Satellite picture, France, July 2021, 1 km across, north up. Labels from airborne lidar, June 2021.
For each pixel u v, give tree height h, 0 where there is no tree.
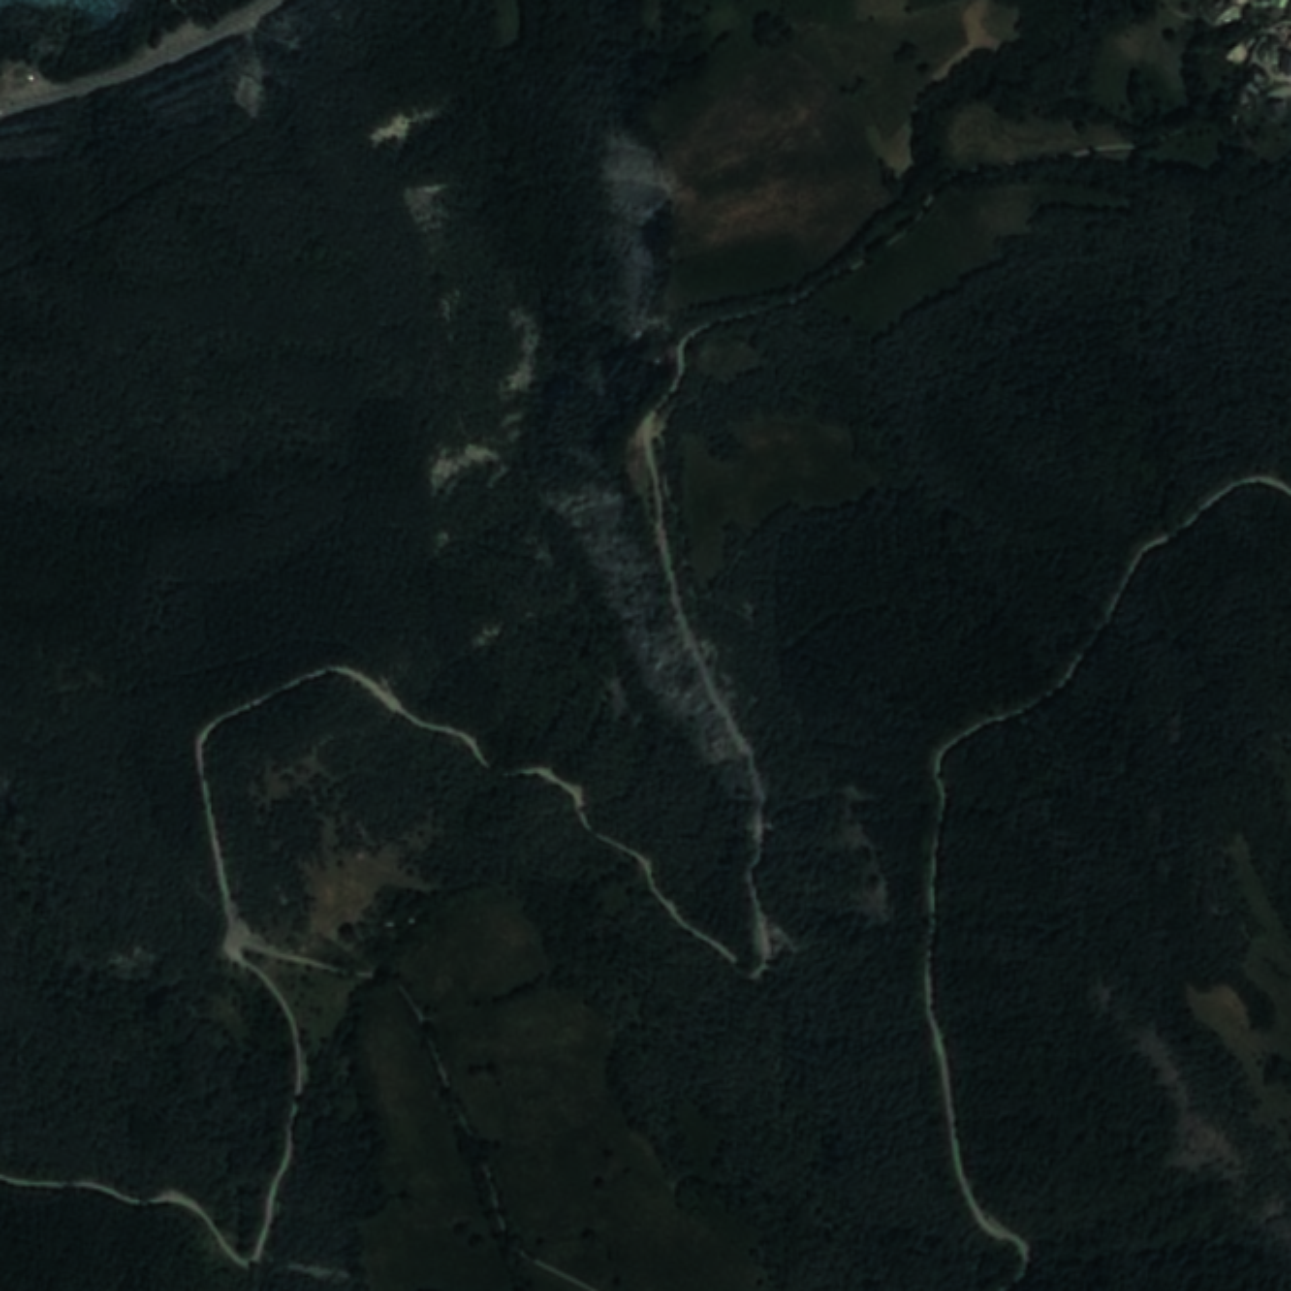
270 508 9
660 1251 0
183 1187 6
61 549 14
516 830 7
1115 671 17
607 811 11
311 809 7
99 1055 12
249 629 12
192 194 7
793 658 13
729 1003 13
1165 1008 10
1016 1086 9
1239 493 7
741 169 0
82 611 8
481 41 10
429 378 6
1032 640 18
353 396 7
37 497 9
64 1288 10
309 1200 6
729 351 0
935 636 15
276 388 6
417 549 7
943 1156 9
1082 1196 8
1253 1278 10
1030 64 19
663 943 11
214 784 6
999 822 13
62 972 11
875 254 12
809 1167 15
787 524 6
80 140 9
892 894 7
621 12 12
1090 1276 20
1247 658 10
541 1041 0
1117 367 15
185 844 9
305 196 7
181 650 10
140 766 10
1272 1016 12
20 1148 10
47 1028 13
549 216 12
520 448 7
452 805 6
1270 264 11
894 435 6
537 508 8
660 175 0
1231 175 17
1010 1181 11
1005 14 0
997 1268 17
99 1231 10
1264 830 12
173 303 7
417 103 8
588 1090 0
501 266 11
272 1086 11
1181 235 8
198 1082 11
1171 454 19
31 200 14
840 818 7
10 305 8
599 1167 0
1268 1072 8
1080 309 8
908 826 13
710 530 0
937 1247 18
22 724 9
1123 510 9
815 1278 8
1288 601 14
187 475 8
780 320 6
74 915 8
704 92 0
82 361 8
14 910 7
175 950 7
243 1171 10
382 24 8
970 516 7
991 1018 16
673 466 6
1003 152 0
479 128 11
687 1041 12
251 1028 8
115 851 9
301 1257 6
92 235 8
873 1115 6
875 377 10
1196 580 7
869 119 0
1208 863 12
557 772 9
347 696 6
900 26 0
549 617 8
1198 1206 10
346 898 0
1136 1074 9
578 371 9
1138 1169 12
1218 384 17
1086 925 10
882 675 12
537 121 12
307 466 11
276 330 7
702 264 0
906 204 13
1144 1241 9
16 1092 10
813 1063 7
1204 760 11
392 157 6
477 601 7
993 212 0
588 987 8
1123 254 7
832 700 12
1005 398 7
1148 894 10
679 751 12
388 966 7
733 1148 11
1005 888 8
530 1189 0
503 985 0
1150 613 9
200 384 6
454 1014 0
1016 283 5
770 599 7
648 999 9
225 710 7
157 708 9
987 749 11
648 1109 8
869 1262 10
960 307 9
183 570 9
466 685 11
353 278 8
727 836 8
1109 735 17
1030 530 13
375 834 7
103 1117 12
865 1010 10
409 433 7
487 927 0
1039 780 8
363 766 6
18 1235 15
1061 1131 12
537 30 12
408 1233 0
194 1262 13
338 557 11
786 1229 11
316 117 6
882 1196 9
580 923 14
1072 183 12
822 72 0
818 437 0
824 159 0
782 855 10
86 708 7
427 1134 0
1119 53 0
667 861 11
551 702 11
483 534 11
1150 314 8
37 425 7
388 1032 0
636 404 11
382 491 11
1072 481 9
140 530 14
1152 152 8
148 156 7
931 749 10
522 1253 7
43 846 8
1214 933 9
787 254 0
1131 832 15
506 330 8
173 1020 10
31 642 8
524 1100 0
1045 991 10
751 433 0
